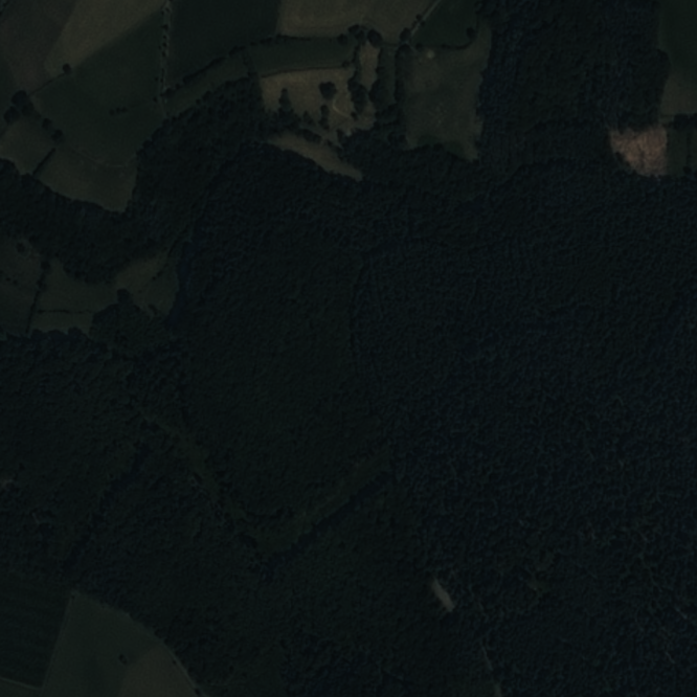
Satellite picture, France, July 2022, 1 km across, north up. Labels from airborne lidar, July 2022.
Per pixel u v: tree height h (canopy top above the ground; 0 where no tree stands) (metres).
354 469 17
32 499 20
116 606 16
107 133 0
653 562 19
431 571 20
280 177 14
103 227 20
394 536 23
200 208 7
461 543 26
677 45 0
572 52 21
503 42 20
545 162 16
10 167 22
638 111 22
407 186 16
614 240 17
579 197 25
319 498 24
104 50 0
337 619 25
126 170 0
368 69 0
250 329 24
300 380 24
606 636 16
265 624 22
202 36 0
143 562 22
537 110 22
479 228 23
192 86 13
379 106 21
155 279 7
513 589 26
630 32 24
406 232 7
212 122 22
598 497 31
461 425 34
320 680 18
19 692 0
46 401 27
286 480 20
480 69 0
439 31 0
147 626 15
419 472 30
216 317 26
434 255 23
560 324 26
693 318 31
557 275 13
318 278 22
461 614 19
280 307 24
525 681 18
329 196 19
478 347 38
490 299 15
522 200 26
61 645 0
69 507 23
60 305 0
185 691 0
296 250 23
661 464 24
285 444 21
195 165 25
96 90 0
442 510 24
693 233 19
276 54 0
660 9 10
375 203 14
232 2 0
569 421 10
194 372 25
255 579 28
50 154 6
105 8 0
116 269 14
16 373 29
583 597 15
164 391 9
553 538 14
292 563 25
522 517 27
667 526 23
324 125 8
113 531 22
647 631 28
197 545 24
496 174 15
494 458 31
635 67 26
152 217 28
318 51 0
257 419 22
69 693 0
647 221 12
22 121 0
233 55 9
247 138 15
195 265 28
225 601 22
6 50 0
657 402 34
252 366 20
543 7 27
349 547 22
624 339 16
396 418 27
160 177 15
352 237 17
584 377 28
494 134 19
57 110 0
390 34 0
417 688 32
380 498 26
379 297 20
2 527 18
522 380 33
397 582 20
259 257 21
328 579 19
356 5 0
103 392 25
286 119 26
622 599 16
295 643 22
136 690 0
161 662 0
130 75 0
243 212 15
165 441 26
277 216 20
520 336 22
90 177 0
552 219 22
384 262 22
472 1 0
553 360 29
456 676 27
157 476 17
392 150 11
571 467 26
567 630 18
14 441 20
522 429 25
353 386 22
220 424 25
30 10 0
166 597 21
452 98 0
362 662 25
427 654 26
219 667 25
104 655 0
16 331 0
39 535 18
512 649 17
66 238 27
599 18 22
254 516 27
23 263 0
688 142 6
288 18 0
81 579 26
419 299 22
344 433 23
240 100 14
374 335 22
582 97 18
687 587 11
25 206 27
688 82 0
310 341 24
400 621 27
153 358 23
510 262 22
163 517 22
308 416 21
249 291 23
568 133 25
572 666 18
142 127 0
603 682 18
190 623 18
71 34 0
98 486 24
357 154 16
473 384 32
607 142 19
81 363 28
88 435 24
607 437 12
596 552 10
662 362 31
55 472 21
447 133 0
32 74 0
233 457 29
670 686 24
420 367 21
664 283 17
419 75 0
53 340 23
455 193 20
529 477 16
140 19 0
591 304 6
